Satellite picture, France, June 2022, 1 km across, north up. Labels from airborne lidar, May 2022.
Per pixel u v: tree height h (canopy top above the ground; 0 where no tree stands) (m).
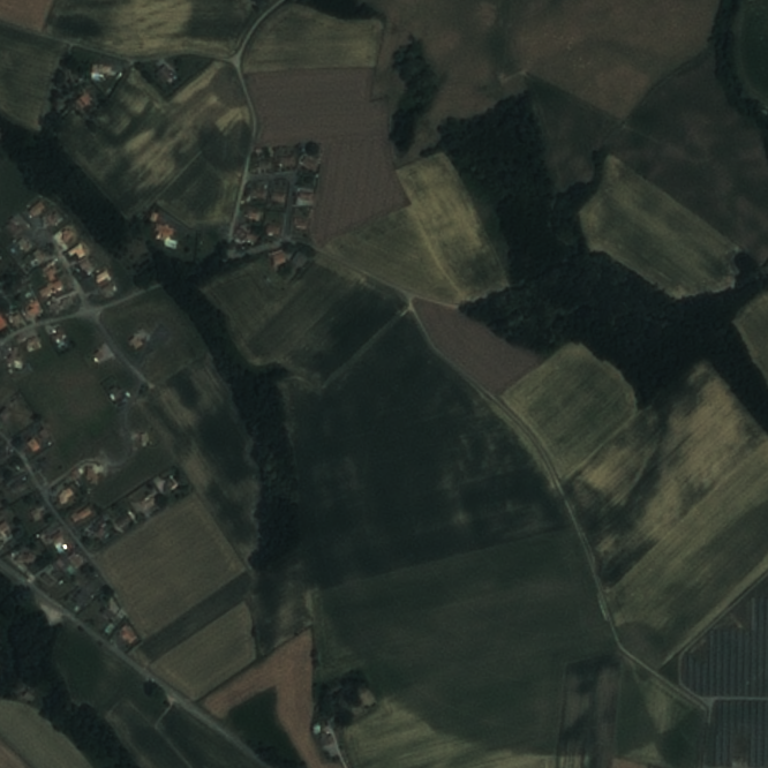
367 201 0
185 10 0
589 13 0
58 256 0
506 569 0
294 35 0
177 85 6
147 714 0
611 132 0
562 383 0
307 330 0
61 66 7
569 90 0
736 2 9
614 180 0
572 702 0
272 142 0
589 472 0
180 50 0
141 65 8
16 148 6
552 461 0
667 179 0
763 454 0
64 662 0
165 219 0
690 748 0
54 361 0
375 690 0
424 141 0
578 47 0
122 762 7
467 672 0
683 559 0
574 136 0
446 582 0
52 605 0
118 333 0
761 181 0
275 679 0
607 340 26
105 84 0
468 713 0
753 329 0
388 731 0
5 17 0
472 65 0
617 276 24
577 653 0
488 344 0
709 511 0
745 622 0
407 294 0
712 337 27
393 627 0
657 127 0
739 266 14
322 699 14
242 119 0
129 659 0
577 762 0
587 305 19
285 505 25
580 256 23
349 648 0
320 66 0
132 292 0
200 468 0
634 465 0
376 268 0
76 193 13
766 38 0
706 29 0
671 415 0
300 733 0
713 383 0
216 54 0
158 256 18
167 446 0
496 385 0
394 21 0
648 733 0
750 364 17
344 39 0
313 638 0
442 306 0
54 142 13
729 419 0
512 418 0
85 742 12
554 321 20
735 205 0
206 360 0
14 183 0
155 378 0
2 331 7
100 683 0
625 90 0
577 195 24
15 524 9
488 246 0
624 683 0
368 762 0
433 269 0
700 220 0
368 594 0
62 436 0
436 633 0
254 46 0
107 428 0
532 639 0
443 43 0
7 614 19
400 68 14
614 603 0
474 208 0
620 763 0
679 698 0
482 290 0
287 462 17
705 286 0
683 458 0
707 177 0
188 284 26
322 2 7
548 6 0
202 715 0
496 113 10
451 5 0
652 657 0
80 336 0
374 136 0
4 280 6
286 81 0
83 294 0
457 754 0
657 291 18
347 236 0
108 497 0
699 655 0
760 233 0
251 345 0
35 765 0
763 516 0
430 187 0
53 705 23
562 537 0
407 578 0
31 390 0
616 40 0
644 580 0
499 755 0
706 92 0
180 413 0
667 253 0
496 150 9
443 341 0
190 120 0
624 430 0
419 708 0
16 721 0
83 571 8
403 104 0
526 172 10
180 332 0
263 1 16
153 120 0
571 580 0
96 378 0
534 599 0
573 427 0
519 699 0
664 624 0
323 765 0
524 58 0
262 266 0
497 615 0
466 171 10
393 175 0
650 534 0
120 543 0
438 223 0
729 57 17
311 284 0
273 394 25
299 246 8
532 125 21
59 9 0
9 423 0
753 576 0
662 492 0
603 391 0
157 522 0
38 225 0
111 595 16
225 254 16
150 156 0
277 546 21
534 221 10
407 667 0
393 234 0
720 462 0
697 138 0
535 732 0
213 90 0
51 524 13
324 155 0
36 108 0
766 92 0
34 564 9
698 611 0
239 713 0
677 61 0
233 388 15
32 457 0
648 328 30
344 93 0
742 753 0
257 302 0
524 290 17
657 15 0
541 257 15
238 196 0
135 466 0
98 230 19
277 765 20
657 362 23
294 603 0
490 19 0
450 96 0
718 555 0
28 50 0
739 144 0
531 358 0
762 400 23
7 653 8
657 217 0
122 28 0
